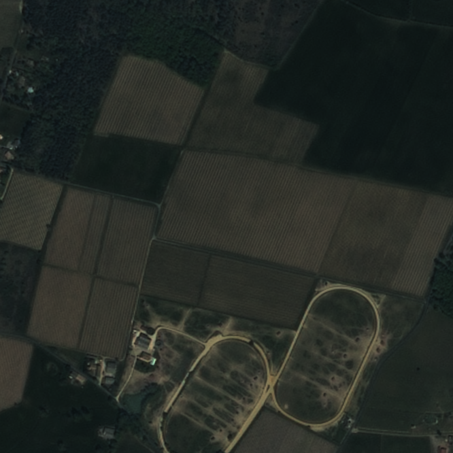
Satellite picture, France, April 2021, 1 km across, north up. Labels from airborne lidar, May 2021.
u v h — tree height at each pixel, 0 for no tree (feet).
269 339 0
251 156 0
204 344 0
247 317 0
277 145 0
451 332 0
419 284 0
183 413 0
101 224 0
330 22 0
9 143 0
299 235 0
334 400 0
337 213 0
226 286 0
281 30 0
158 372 0
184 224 0
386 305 0
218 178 0
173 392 0
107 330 0
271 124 0
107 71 59
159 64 0
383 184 0
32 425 0
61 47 28
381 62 0
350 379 0
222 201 0
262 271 0
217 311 0
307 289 0
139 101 0
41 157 39
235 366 0
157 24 52
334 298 0
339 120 0
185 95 0
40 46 48
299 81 0
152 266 0
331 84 0
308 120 0
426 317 0
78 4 61
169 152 0
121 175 0
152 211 0
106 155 0
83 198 0
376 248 0
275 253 0
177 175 0
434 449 0
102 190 0
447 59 0
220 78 0
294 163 0
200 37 63
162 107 0
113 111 0
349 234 0
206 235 0
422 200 0
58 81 34
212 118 0
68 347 0
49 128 42
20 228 0
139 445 0
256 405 0
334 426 0
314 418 0
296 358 0
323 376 0
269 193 0
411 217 0
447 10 0
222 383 0
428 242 0
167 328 0
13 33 0
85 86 62
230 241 0
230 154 0
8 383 0
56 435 0
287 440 0
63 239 0
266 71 0
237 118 0
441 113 0
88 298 0
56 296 0
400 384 0
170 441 0
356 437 0
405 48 0
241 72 0
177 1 73
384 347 0
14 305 0
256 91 0
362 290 0
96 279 0
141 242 0
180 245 0
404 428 0
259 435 0
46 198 0
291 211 0
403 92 0
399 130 0
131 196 0
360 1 0
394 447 0
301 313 0
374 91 0
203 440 0
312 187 0
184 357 0
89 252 0
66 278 0
